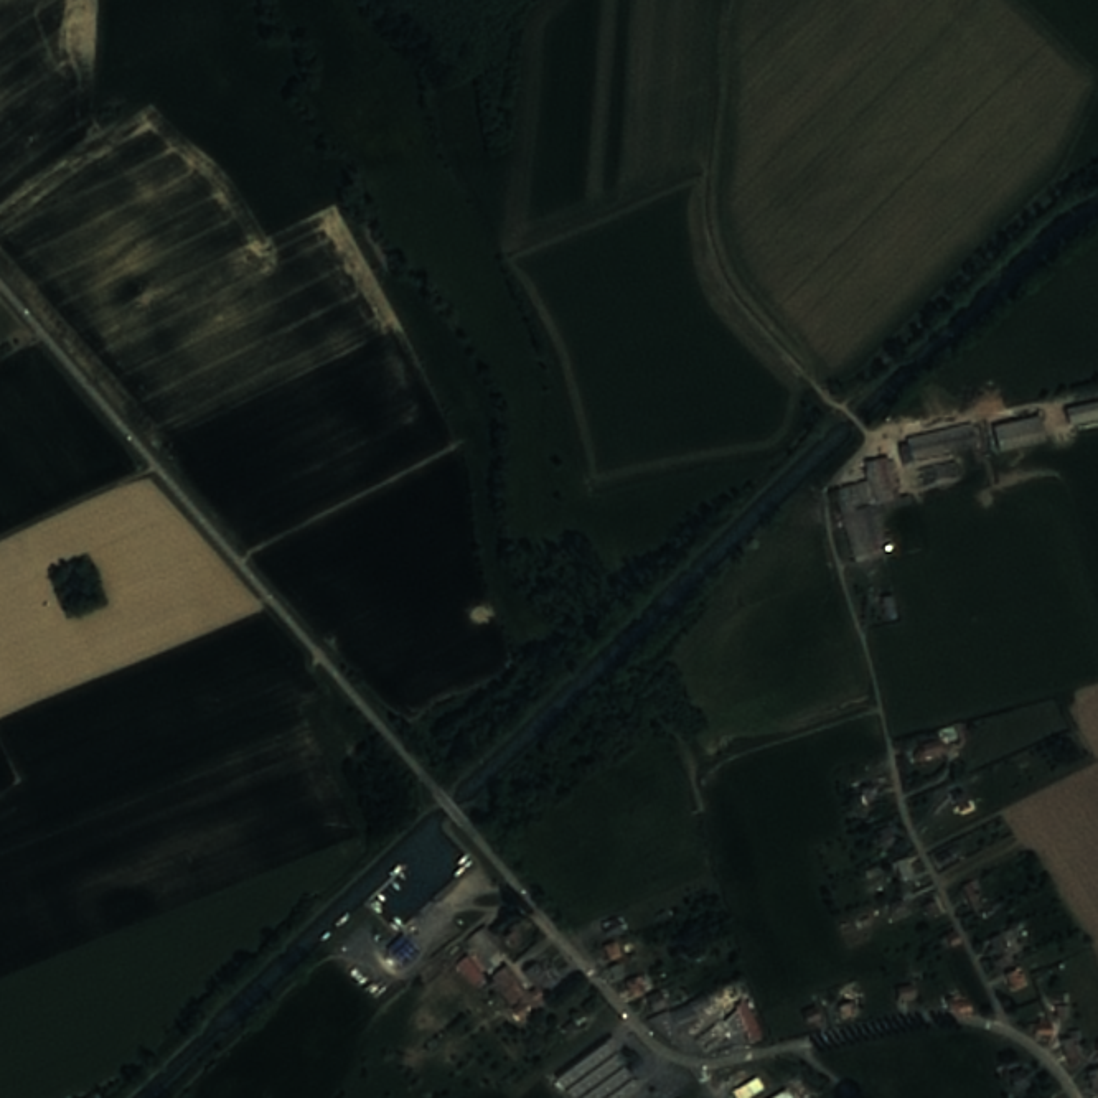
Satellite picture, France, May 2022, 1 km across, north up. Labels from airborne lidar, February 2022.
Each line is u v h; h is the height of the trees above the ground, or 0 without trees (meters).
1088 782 0
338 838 0
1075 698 0
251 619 0
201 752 0
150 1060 19
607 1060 0
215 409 0
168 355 0
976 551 0
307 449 0
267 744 0
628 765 0
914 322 0
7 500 0
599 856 0
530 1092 0
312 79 18
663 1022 0
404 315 0
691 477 0
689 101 0
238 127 0
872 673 0
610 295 0
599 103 0
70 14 0
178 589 0
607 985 0
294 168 0
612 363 0
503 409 16
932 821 0
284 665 0
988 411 0
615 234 0
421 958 0
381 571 0
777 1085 0
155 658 0
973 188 0
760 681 0
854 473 0
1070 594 0
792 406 0
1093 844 0
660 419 0
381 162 0
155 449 0
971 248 0
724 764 0
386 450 0
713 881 0
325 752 0
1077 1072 0
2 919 0
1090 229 24
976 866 0
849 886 0
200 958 0
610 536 0
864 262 0
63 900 0
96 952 0
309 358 0
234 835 0
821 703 0
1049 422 0
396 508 0
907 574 0
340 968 0
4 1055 0
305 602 0
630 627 0
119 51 0
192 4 0
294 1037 0
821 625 0
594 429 0
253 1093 0
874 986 0
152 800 0
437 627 0
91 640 0
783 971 0
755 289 0
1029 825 0
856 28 0
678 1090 0
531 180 0
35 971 0
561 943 0
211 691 0
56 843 0
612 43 0
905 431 0
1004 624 0
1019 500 0
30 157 0
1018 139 0
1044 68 0
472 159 0
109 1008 0
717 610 0
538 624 0
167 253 0
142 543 0
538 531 0
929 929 10
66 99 0
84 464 0
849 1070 0
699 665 0
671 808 0
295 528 0
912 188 0
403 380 0
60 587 13
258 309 0
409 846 0
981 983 0
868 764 0
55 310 0
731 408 0
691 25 0
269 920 0
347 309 0
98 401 0
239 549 0
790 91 0
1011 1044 0
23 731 0
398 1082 0
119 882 0
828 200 0
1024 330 0
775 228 0
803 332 0
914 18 0
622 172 0
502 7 21
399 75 0
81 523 0
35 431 0
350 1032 0
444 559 0
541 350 14
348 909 0
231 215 0
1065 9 0
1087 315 0
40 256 0
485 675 0
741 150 0
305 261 0
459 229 0
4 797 0
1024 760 0
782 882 0
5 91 0
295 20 0
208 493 0
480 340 0
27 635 0
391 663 0
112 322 0
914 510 0
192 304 0
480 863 0
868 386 16
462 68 22
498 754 0
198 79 0
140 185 0
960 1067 0
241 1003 0
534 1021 9
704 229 0
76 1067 0
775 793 0
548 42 0
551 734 21
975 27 0
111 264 0
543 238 0
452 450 0
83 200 0
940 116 0
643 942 0
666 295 0
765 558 0
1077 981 0
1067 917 0
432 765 16
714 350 0
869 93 0
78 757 0
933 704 0
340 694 0
